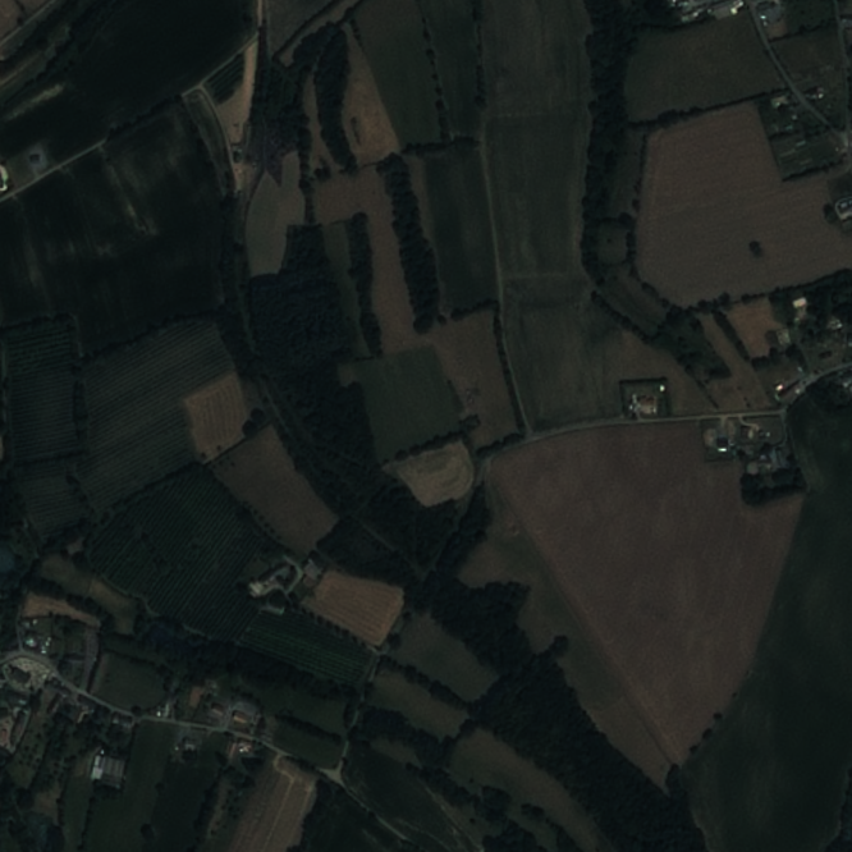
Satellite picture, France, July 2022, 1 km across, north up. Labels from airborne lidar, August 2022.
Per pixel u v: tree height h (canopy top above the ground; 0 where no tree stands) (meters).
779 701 0
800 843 0
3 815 12
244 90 0
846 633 0
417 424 0
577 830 0
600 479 0
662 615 0
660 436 0
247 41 0
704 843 9
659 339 7
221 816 0
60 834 18
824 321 10
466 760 0
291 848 0
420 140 0
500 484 0
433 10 0
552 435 0
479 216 0
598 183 17
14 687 0
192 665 25
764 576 0
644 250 0
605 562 0
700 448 0
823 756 0
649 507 0
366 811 6
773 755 0
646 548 0
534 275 0
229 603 5
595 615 0
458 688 0
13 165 0
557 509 0
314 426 10
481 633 19
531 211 0
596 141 16
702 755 0
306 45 14
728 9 0
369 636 0
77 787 0
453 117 0
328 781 9
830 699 0
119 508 8
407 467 0
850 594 0
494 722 19
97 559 6
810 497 0
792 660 0
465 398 0
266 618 6
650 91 0
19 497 12
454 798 22
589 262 18
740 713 0
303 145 12
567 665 0
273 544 10
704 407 0
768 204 0
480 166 0
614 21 11
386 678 0
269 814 0
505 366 11
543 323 0
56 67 11
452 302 0
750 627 0
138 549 7
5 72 6
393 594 0
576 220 0
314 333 22
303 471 11
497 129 0
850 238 0
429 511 9
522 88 0
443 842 0
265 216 0
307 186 15
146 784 0
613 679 0
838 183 0
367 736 8
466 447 9
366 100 0
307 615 11
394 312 0
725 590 0
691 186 0
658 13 23
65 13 9
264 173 0
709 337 0
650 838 17
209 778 0
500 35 0
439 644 0
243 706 0
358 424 12
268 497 0
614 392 0
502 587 11
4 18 0
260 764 14
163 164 0
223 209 12
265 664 19
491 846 21
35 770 7
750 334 0
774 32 0
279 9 0
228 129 0
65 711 9
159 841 0
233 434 0
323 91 10
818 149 0
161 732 0
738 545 0
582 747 20
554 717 17
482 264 0
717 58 0
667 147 0
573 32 0
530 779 0
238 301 11
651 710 0
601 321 0
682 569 0
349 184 0
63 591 9
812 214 0
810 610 0
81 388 11
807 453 0
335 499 14
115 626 10
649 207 0
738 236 0
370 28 0
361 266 9
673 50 0
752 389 0
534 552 0
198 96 0
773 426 0
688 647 0
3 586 11
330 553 7
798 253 0
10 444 13
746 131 0
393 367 0
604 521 0
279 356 22
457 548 18
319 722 0
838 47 0
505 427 0
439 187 0
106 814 0
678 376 0
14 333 8
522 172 0
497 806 9
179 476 10
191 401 0
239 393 0
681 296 0
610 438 0
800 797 0
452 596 14
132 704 0
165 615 6
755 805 0
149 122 6
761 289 0
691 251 0
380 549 9
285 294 22
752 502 15
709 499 0
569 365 0
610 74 19
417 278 11
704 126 0
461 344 0
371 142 0
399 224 10
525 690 17
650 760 0
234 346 11
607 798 16
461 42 0
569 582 0
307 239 11
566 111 0
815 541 0
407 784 0
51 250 0
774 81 0
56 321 8
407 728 30
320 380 9
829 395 10
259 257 0
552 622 0
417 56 0
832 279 6
